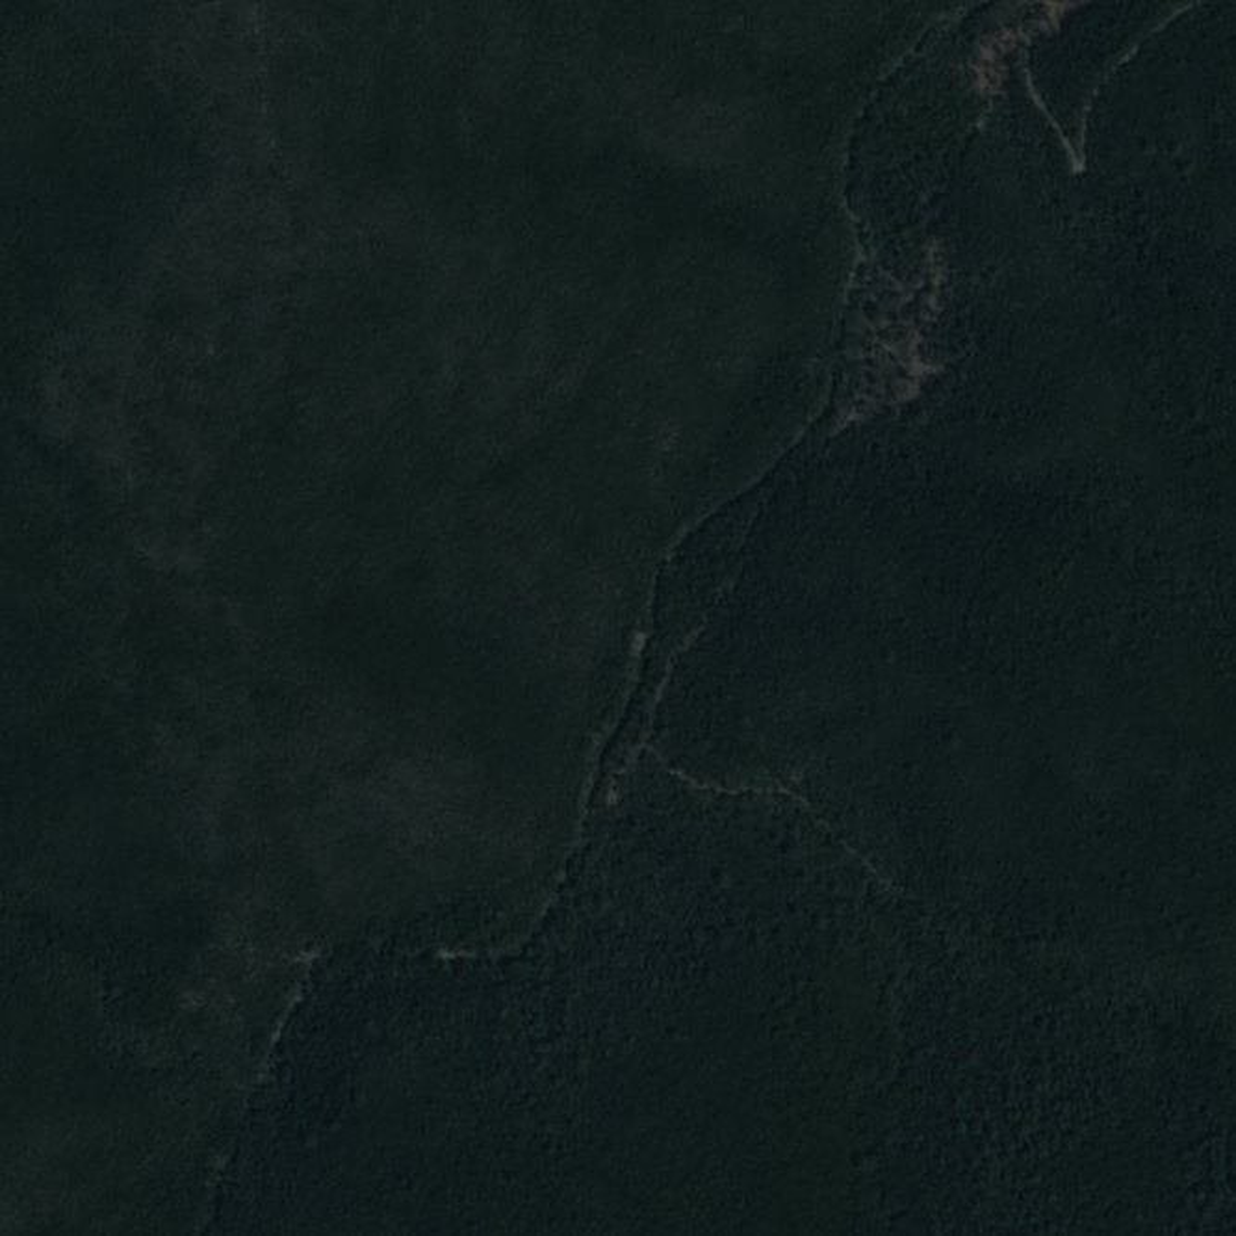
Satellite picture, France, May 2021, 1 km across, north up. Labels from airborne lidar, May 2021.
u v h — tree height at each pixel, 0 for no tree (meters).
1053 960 14
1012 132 9
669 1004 8
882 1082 17
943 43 7
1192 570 6
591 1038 18
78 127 6
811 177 6
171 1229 9
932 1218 17
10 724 6
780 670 7
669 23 6
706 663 9
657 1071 7
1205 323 21
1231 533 6
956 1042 10
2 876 8
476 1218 7
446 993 16
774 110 6
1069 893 7
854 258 9
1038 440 7
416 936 11
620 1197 6
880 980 13
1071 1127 13
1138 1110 13
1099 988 13
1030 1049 16
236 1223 14
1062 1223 17
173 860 7
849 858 22
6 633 6
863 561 6
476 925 11
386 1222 6
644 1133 6
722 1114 7
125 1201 9
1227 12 10
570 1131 8
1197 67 8
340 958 16
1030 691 9
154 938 6
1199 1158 15
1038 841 10
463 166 5
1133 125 9
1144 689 7
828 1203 6
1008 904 13
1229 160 8
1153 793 6
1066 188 19
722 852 7
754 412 7
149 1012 8
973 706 5
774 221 7
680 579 8
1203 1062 18
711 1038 5
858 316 14
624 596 8
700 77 6
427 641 6
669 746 8
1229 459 14
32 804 6
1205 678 6
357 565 5
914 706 6
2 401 9
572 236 6
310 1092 13
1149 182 10
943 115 15
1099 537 13
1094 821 6
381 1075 6
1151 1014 9
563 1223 8
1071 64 9
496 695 6
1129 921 6
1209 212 9
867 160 11
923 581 7
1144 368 15
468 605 6
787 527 8
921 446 14
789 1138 6
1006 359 13
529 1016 19
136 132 6
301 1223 7
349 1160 8
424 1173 8
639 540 8
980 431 7
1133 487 7
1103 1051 10
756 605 9
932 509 13
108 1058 8
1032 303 9
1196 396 18
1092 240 12
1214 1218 12
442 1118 6
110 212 5
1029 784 7
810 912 10
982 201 6
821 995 10
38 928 21
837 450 12
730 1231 8
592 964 10
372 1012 15
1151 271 22
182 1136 6
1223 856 8
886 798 8
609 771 8
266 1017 8
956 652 10
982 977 12
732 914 13
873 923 19
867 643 7
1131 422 7
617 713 10
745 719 10
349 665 6
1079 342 8
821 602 11
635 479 6
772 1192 8
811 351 6
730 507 14
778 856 9
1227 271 12
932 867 14
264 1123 18
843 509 6
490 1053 10
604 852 9
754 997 7
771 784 6
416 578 6
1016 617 10
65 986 8
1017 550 13
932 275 10
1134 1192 17
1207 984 10
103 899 8
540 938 16
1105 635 8
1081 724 6
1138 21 8
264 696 7
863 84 9
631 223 6
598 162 8
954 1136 11
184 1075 9
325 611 5
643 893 9
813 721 7
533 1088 8
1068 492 14
